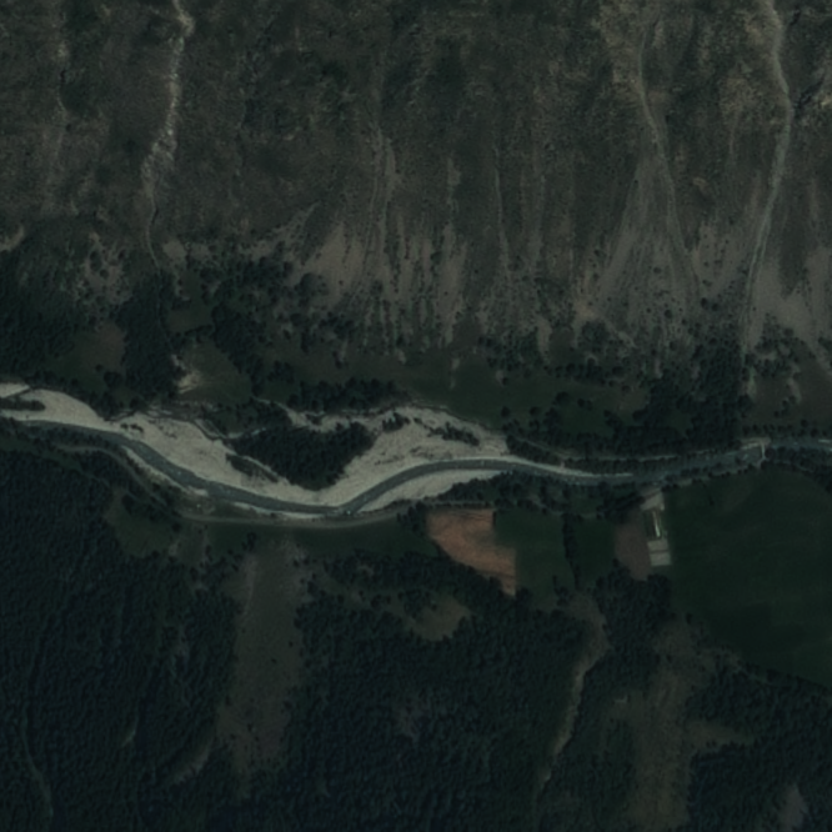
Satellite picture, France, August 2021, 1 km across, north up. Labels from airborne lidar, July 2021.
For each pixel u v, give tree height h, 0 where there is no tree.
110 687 30
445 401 0
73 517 23
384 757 24
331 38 6
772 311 0
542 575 0
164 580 16
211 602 12
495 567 0
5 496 26
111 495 23
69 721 26
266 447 17
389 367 0
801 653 0
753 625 0
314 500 0
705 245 0
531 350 8
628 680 11
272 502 0
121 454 10
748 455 0
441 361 0
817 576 0
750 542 0
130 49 0
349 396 22
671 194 0
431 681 16
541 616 14
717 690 15
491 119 0
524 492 15
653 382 10
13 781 22
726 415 15
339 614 8
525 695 8
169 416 0
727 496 0
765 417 0
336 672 15
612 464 7
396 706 7
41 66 10
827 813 14
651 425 17
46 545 21
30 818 26
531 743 6
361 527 0
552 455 6
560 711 6
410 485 0
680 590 0
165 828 20
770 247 0
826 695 17
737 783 24
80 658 26
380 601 9
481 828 21
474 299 0
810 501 0
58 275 8
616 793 9
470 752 14
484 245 0
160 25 0
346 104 7
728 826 16
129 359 9
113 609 25
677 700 0
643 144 0
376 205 0
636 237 0
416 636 12
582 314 0
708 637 6
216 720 8
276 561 0
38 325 9
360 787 12
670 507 0
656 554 0
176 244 0
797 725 21
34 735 15
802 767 13
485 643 15
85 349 0
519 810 13
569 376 10
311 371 0
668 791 0
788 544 0
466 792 25
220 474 0
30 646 20
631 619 11
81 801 22
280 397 0
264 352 0
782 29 0
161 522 20
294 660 0
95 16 6
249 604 0
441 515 0
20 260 10
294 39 0
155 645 7
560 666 12
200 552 0
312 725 13
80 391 15
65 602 13
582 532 0
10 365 18
